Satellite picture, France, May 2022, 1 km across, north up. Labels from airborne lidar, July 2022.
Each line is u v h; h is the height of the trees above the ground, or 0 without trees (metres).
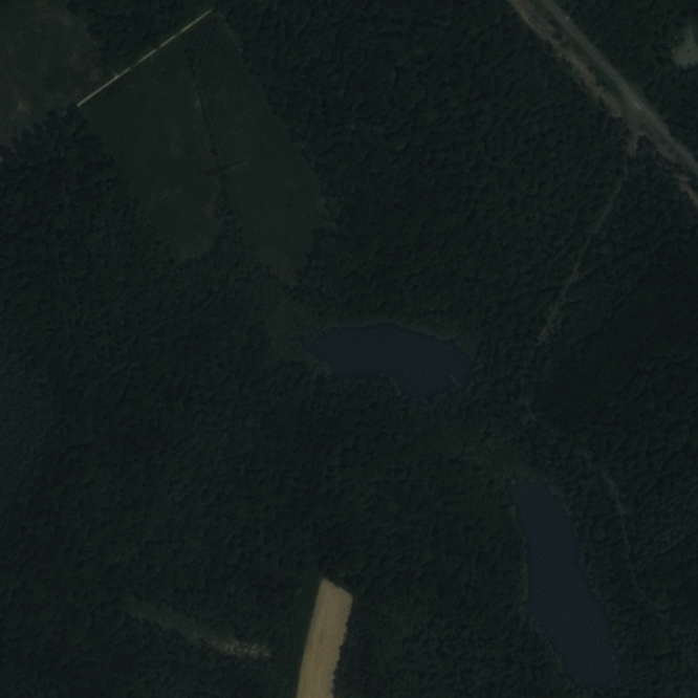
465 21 30
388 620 26
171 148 0
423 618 28
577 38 0
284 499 30
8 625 23
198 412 23
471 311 26
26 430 27
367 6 28
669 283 28
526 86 23
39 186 27
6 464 23
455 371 0
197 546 23
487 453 11
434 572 30
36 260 25
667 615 20
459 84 30
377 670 22
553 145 13
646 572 26
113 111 0
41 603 30
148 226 20
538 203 18
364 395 25
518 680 21
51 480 29
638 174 15
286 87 21
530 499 0
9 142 0
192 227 0
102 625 29
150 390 28
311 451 27
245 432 31
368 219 27
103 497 25
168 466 19
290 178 0
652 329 30
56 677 29
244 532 31
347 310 23
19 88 0
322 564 25
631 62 29
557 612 0
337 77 25
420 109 25
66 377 31
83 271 20
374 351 0
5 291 22
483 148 16
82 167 27
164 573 27
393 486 29
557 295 23
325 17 27
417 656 29
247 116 0
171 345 26
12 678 27
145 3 23
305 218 0
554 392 26
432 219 31
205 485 24
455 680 18
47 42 0
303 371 20
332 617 0
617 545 26
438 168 29
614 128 23
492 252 19
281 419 31
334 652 0
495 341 26
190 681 30
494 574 33
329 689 0
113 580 27
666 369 29
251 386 22
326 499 27
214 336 24
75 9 24
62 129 24
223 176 5
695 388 19
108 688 34
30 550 31
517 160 26
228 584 31
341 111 27
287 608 25
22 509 29
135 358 27
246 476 26
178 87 0
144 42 25
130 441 26
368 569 32
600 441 23
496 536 24
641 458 28
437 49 30
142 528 24
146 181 0
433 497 25
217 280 17
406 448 27
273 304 11
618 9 26
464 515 23
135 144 0
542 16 0
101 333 22
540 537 0
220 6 27
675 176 24
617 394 26
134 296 22
